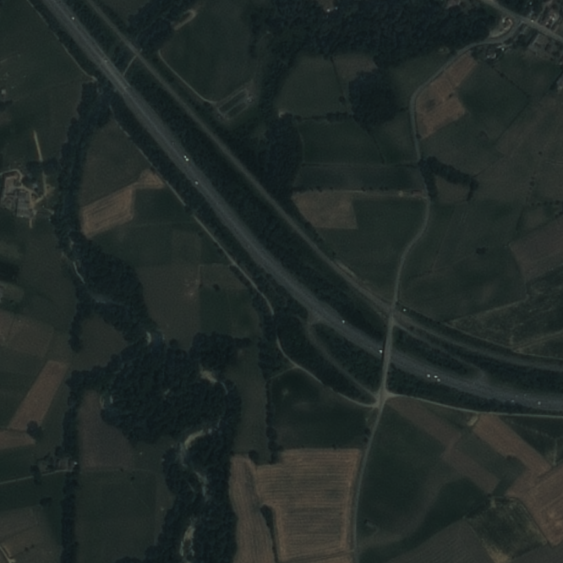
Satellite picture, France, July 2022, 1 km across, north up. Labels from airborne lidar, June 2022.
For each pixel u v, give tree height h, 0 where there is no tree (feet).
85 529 0
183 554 0
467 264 0
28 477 0
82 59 39
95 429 0
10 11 0
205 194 0
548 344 0
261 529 0
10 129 0
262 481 0
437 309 0
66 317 0
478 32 87
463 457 0
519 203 0
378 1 66
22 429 0
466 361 24
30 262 0
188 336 0
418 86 0
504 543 0
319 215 0
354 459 0
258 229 48
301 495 0
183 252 0
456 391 19
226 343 76
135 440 60
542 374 30
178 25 0
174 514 62
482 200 0
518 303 0
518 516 0
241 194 63
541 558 0
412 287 0
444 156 0
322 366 55
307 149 0
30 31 0
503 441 0
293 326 53
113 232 0
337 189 0
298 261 31
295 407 0
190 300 0
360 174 0
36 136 0
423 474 0
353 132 0
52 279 0
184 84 0
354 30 97
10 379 0
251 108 0
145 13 60
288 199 42
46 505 51
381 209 0
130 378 71
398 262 0
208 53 0
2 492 0
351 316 77
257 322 0
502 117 0
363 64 0
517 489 0
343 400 0
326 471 0
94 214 0
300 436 0
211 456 71
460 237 0
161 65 0
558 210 0
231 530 66
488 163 0
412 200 0
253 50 39
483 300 0
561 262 0
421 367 0
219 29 0
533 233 0
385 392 0
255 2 0
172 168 27
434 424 0
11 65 0
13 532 0
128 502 0
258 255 0
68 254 50
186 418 59
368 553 0
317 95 0
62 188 49
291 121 38
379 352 0
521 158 0
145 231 0
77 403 45
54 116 0
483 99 0
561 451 0
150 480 0
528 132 0
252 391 0
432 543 0
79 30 0
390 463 0
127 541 0
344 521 0
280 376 0
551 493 0
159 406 65
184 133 48
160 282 0
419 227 0
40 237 0
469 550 0
